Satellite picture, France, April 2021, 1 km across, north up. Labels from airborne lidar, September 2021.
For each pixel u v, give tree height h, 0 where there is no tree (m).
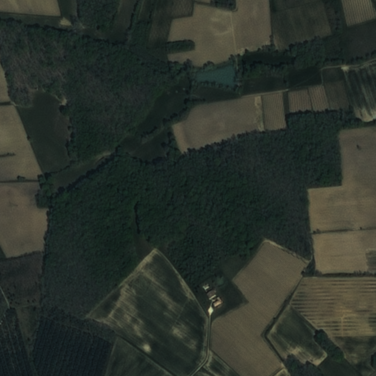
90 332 12
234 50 0
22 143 0
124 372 0
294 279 0
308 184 15
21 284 13
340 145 20
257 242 19
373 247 0
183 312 0
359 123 18
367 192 0
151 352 0
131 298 0
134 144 0
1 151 0
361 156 0
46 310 16
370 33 0
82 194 28
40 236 0
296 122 23
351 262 0
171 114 0
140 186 26
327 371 0
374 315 0
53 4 0
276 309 0
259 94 0
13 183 0
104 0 19
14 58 18
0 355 12
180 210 21
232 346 0
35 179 0
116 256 23
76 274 19
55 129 0
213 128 0
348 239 0
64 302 16
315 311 0
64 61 21
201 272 9
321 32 0
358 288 0
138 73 22
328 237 0
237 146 18
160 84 22
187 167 21
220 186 27
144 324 0
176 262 8
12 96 20
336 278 0
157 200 21
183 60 0
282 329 0
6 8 0
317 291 0
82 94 20
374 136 0
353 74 0
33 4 0
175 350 0
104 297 21
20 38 21
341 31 11
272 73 17
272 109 0
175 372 0
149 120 0
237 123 0
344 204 0
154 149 0
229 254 7
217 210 24
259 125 0
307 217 15
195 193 25
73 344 12
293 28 0
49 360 15
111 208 23
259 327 0
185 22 0
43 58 22
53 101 0
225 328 0
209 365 0
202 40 0
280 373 0
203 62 0
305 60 21
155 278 0
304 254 12
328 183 20
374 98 0
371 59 12
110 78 19
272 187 19
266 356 0
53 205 22
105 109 13
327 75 0
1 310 19
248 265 0
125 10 0
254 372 0
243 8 0
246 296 0
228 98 0
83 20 24
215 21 0
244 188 26
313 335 0
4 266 13
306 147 25
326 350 19
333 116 13
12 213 0
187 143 0
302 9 0
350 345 0
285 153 24
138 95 18
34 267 20
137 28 11
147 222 23
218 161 22
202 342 0
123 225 22
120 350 0
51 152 0
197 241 11
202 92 0
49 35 26
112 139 21
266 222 22
